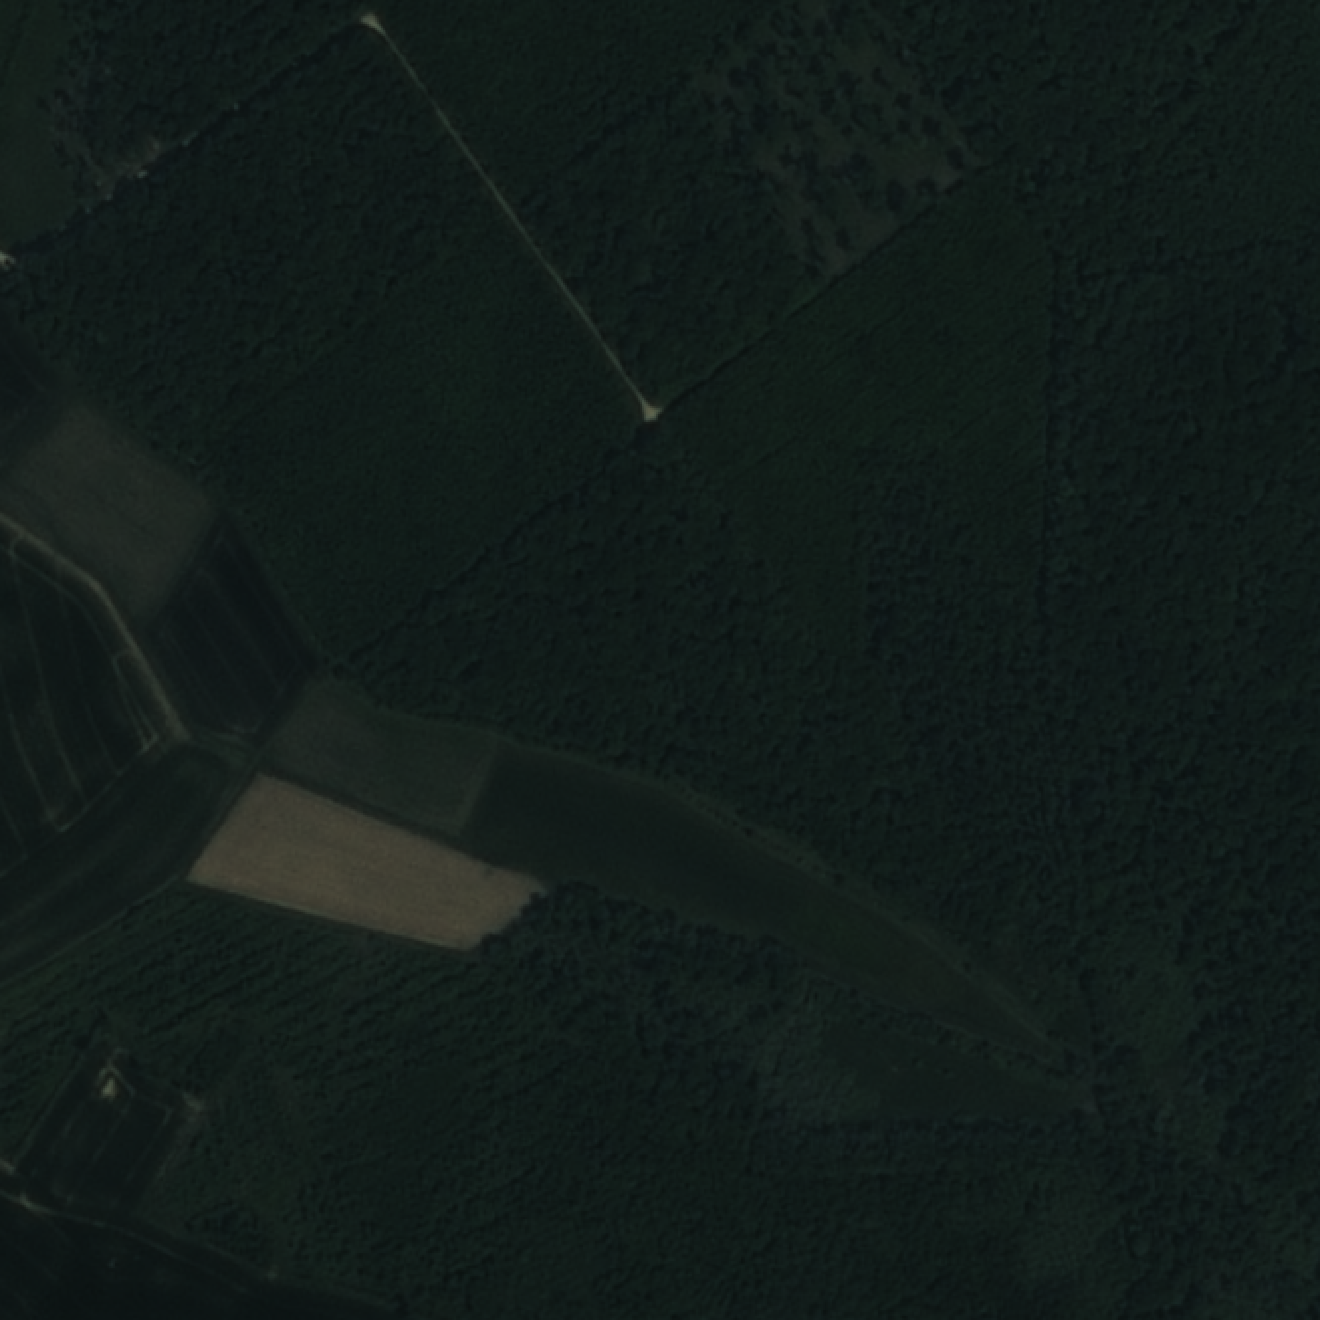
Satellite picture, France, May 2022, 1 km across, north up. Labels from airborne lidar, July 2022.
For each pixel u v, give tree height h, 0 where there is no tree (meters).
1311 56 14
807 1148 21
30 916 0
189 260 29
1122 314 30
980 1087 0
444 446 14
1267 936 31
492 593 22
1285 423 28
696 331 23
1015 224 11
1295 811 32
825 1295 12
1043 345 9
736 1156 16
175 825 0
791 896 0
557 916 13
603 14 13
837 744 25
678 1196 11
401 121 23
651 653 26
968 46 24
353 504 13
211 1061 6
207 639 0
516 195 14
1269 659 22
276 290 27
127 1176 0
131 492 0
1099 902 15
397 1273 7
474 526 14
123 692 0
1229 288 23
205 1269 0
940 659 24
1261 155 15
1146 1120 9
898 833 27
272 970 7
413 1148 6
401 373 12
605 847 0
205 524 0
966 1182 7
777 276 24
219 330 23
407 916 0
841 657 14
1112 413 27
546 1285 8
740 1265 11
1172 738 25
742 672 22
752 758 23
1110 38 27
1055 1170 21
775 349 9
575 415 17
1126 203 19
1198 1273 22
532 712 23
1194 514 25
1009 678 22
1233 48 17
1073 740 20
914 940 0
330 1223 7
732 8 14
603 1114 11
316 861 0
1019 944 6
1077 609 24
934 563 19
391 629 16
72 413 0
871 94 21
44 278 22
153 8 25
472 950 0
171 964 9
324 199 25
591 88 12
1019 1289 15
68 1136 0
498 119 15
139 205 18
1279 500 23
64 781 0
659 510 24
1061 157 27
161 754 0
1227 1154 22
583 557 28
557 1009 19
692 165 24
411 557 14
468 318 14
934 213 9
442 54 14
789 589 13
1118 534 24
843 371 7
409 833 0
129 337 24
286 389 16
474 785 0
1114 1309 9
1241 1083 24
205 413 22
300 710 0
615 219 22
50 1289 0
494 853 0
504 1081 6
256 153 20
